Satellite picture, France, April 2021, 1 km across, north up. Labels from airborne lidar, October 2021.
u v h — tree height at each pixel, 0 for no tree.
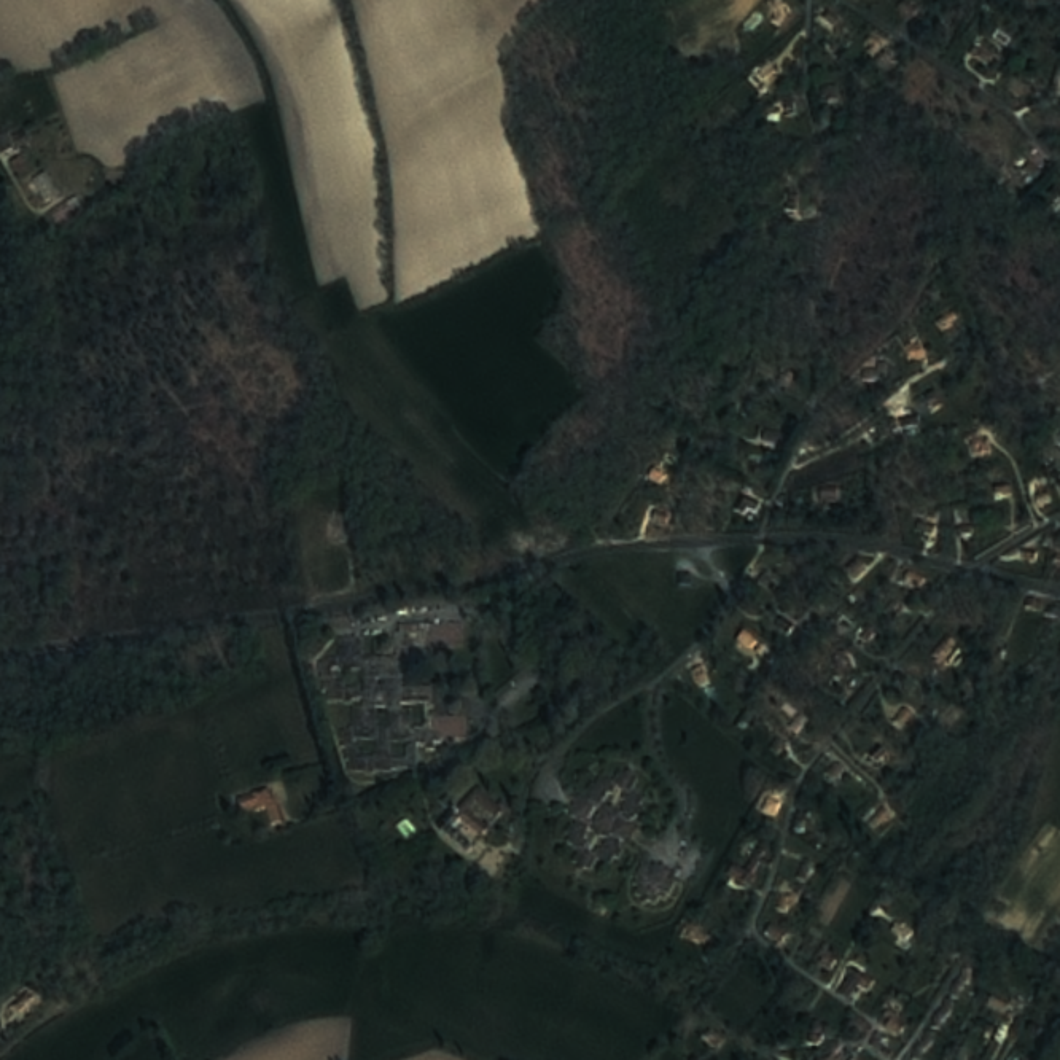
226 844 14
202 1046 0
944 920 21
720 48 0
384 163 12
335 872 0
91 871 0
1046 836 0
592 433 20
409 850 8
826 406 12
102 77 0
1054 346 18
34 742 22
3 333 17
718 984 16
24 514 13
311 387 21
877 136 20
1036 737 13
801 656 21
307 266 0
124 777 0
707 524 17
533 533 0
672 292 9
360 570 18
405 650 0
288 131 0
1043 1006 10
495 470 0
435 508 19
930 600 19
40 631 23
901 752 13
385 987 0
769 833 12
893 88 15
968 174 22
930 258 26
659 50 21
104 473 18
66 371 14
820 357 16
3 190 8
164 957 25
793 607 14
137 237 18
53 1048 0
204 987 0
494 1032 0
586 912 0
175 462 9
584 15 22
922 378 0
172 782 0
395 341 0
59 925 20
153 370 16
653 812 7
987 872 18
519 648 28
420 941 0
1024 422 13
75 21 0
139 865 0
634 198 9
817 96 7
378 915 25
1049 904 0
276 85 0
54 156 0
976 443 0
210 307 14
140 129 0
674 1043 16
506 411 0
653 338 16
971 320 6
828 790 13
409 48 0
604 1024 0
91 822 0
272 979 0
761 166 14
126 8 0
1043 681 11
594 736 0
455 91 0
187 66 0
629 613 0
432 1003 0
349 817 16
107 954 8
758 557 0
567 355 13
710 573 0
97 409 17
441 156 0
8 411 20
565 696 15
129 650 20
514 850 11
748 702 16
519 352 0
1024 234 20
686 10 0
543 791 0
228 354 0
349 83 0
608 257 16
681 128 21
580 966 24
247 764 0
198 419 8
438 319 0
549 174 10
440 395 0
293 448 24
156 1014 0
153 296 21
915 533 8
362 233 0
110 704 25
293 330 20
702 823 0
